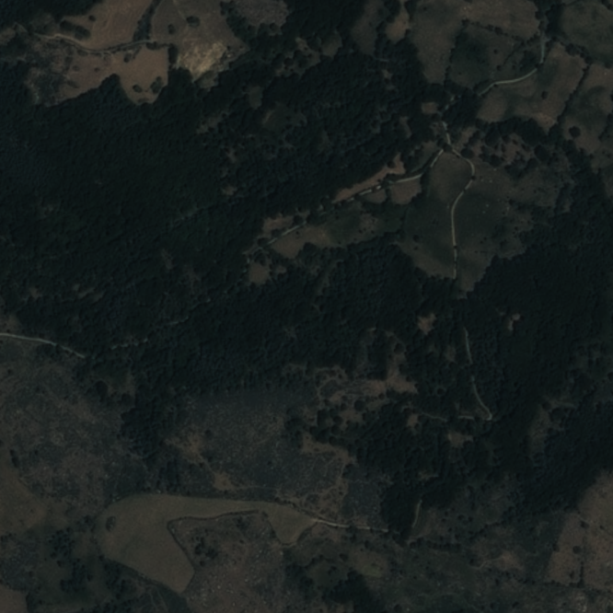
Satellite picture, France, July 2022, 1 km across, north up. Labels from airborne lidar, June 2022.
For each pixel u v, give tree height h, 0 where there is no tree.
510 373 24
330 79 22
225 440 0
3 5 21
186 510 0
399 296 11
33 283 12
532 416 13
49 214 11
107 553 0
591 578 0
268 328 14
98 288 8
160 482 11
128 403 13
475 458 17
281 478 0
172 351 13
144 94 0
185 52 0
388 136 19
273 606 0
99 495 0
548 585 10
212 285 7
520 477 15
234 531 0
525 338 24
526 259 18
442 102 14
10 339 0
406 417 8
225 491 6
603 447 22
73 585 17
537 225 7
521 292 17
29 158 13
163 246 16
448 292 17
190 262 12
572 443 16
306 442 0
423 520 0
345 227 0
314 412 0
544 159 18
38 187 10
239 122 18
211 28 0
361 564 0
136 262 17
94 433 0
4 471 0
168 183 19
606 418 14
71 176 11
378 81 12
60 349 10
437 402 8
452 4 0
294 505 9
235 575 0
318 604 0
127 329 14
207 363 19
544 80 0
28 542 0
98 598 0
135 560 0
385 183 13
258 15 0
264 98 11
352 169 14
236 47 0
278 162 15
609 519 0
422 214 0
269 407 0
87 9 7
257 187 17
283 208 19
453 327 6
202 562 8
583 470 18
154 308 13
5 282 8
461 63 0
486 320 10
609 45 0
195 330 12
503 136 15
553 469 19
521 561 0
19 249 16
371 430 7
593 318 10
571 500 15
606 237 22
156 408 16
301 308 19
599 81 0
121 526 0
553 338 17
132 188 16
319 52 8
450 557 0
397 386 0
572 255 9
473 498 12
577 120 0
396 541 12
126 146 16
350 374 8
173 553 0
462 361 11
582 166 10
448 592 0
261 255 10
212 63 0
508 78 0
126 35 0
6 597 0
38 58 0
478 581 0
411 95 12
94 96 23
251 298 18
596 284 11
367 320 17
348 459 0
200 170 15
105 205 15
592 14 0
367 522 0
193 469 9
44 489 0
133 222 18
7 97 26
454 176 0
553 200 0
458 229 0
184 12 0
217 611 0
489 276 12
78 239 14
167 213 15
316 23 22
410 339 10
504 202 0
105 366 14
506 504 0
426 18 0
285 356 12
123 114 15
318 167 14
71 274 14
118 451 0
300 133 19
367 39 0
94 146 13
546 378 21
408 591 0
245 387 8
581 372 8
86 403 0
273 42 17
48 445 0
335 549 0
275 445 0
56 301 12
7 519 0
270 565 0
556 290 22
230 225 13
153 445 10
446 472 17
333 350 11
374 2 0
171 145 19
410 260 16
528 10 0
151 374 12
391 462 11
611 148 0
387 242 15
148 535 0
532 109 0
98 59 0
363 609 11
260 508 0
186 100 10
